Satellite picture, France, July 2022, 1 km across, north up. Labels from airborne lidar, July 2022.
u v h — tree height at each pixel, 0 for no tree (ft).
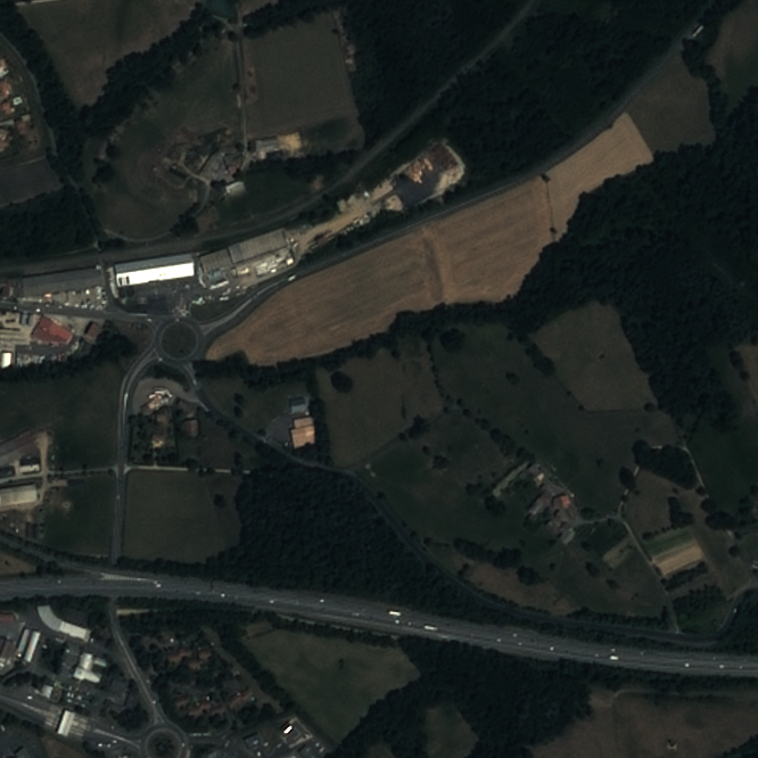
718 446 0
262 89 0
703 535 0
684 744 0
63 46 0
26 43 54
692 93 0
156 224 0
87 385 0
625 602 0
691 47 62
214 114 0
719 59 0
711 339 62
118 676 39
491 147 51
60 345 0
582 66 25
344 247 48
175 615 39
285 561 50
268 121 0
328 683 0
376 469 0
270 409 0
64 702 17
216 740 0
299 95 0
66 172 42
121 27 0
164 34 0
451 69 56
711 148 27
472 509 0
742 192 58
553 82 32
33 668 0
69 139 67
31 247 60
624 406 0
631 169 0
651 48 56
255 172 28
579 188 0
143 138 0
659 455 47
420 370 0
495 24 61
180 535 0
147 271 0
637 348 59
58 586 0
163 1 0
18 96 0
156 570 22
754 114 106
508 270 0
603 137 0
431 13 38
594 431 0
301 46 0
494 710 63
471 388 0
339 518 78
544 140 56
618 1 49
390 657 0
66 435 0
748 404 0
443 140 0
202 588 0
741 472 0
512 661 45
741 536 52
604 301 73
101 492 0
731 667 0
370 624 0
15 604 38
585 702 55
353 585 49
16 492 0
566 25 60
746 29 0
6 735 0
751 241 63
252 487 60
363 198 0
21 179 0
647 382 0
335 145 0
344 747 29
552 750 0
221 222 0
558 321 0
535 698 67
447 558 0
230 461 0
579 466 0
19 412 0
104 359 84
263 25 49
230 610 36
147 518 0
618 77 62
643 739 0
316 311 0
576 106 23
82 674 0
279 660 0
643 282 65
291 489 82
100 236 51
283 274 0
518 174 57
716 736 0
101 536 0
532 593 0
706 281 73
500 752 87
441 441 0
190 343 0
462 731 0
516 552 33
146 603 38
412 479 0
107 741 0
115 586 0
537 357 68
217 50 0
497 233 0
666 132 0
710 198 63
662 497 0
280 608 0
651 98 0
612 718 0
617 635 35
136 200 0
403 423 0
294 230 0
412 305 0
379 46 58
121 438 0
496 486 30
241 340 0
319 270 0
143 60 68
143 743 0
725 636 30
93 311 0
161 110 0
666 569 0
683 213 27
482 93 37
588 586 0
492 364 0
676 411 57
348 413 0
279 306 0
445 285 0
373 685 0
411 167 0
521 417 0
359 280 0
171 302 0
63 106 57
